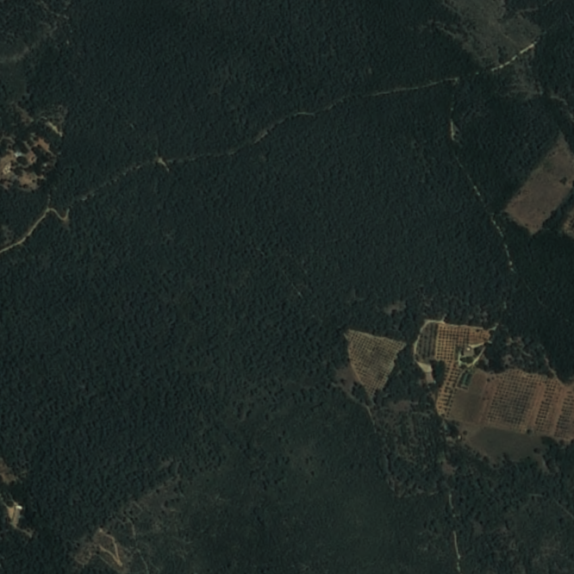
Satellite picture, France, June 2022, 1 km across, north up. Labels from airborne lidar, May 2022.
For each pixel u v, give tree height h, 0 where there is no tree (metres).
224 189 14
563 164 0
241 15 15
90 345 17
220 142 14
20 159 12
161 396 15
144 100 16
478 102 15
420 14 13
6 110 19
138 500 12
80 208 11
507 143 17
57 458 20
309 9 14
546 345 13
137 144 14
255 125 11
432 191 14
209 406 13
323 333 16
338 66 14
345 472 8
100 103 17
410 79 13
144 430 14
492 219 9
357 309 14
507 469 10
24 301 14
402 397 19
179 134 15
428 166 11
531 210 0
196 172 14
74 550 13
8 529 15
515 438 0
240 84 13
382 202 13
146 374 18
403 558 8
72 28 12
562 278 10
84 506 16
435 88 12
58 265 11
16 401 17
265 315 16
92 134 12
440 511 7
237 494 6
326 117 15
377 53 10
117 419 15
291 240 15
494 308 11
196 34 11
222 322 15
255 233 13
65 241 11
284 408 12
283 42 15
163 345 5
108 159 15
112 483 15
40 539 15
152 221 11
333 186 15
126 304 14
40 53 11
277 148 11
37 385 17
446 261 13
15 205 11
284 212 15
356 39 14
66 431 15
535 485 6
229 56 15
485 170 12
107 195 12
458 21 8
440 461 9
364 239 13
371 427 7
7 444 18
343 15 15
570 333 10
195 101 17
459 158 10
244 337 16
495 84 14
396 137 15
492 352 9
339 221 12
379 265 12
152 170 12
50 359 18
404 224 14
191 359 12
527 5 13
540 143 17
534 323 13
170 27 15
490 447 0
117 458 11
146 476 10
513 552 9
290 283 10
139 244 10
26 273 9
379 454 7
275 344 19
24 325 12
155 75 15
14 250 9
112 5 17
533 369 8
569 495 14
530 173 14
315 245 14
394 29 11
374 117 16
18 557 19
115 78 17
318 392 15
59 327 12
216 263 16
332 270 12
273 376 15
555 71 15
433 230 16
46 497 18
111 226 12
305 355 16
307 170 14
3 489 10
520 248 11
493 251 12
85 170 11
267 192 15
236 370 9
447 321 9
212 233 12
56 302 12
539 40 7
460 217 17
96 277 9
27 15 11
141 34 18
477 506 9
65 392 16
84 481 14
